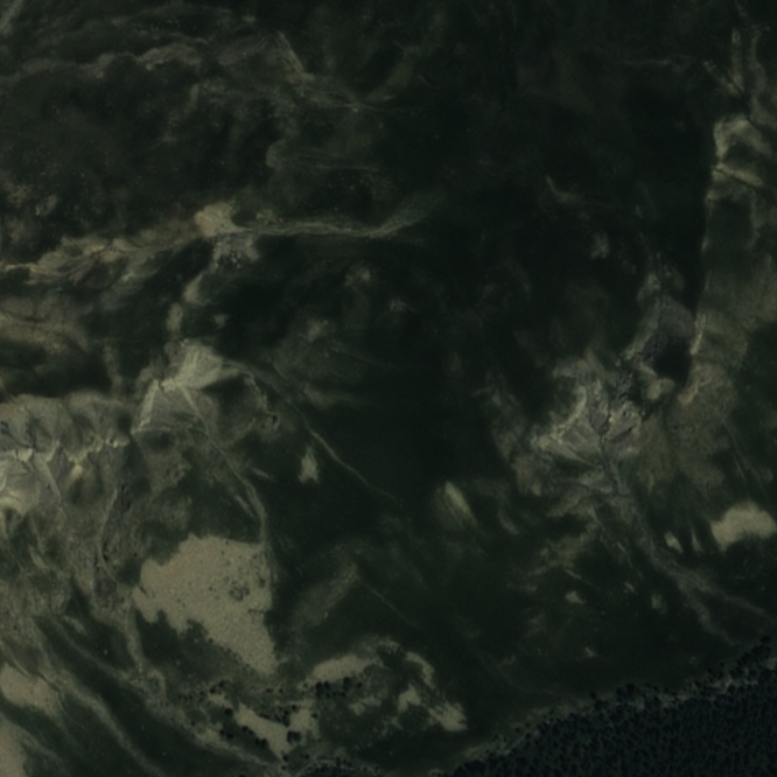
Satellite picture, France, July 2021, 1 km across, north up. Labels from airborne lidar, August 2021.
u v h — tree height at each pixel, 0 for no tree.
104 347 0
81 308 0
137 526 0
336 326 0
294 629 0
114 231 0
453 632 0
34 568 0
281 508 0
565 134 0
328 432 0
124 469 0
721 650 0
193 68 0
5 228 0
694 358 0
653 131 0
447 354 0
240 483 0
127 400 0
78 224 0
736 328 0
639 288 0
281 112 0
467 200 0
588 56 0
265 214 0
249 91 0
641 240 0
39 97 0
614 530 0
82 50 0
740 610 0
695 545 0
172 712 0
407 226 0
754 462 0
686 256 0
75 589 0
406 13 0
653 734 21
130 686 0
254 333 0
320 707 0
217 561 0
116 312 0
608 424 0
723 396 0
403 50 0
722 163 0
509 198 0
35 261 0
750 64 0
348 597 0
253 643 0
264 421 0
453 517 0
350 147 0
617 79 0
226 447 0
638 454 0
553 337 0
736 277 0
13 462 0
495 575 0
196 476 0
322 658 0
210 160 0
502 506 0
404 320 0
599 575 0
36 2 0
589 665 0
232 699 0
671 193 0
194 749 0
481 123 0
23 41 0
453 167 0
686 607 0
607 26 0
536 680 0
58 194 0
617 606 0
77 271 0
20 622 0
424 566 0
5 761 0
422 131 0
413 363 0
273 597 0
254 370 0
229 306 0
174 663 0
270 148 0
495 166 0
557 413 0
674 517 0
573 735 11
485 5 0
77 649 0
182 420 0
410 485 0
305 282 0
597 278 0
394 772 0
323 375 0
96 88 0
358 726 0
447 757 0
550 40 0
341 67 0
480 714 0
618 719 24
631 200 0
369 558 0
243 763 0
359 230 0
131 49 0
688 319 0
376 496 0
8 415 0
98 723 0
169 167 0
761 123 0
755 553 0
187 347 0
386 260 0
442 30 0
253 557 0
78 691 0
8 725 0
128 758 0
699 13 0
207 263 0
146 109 0
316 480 0
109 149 0
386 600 0
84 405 0
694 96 0
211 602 0
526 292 0
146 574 0
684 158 0
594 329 0
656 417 0
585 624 0
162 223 0
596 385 0
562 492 0
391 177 0
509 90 0
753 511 0
